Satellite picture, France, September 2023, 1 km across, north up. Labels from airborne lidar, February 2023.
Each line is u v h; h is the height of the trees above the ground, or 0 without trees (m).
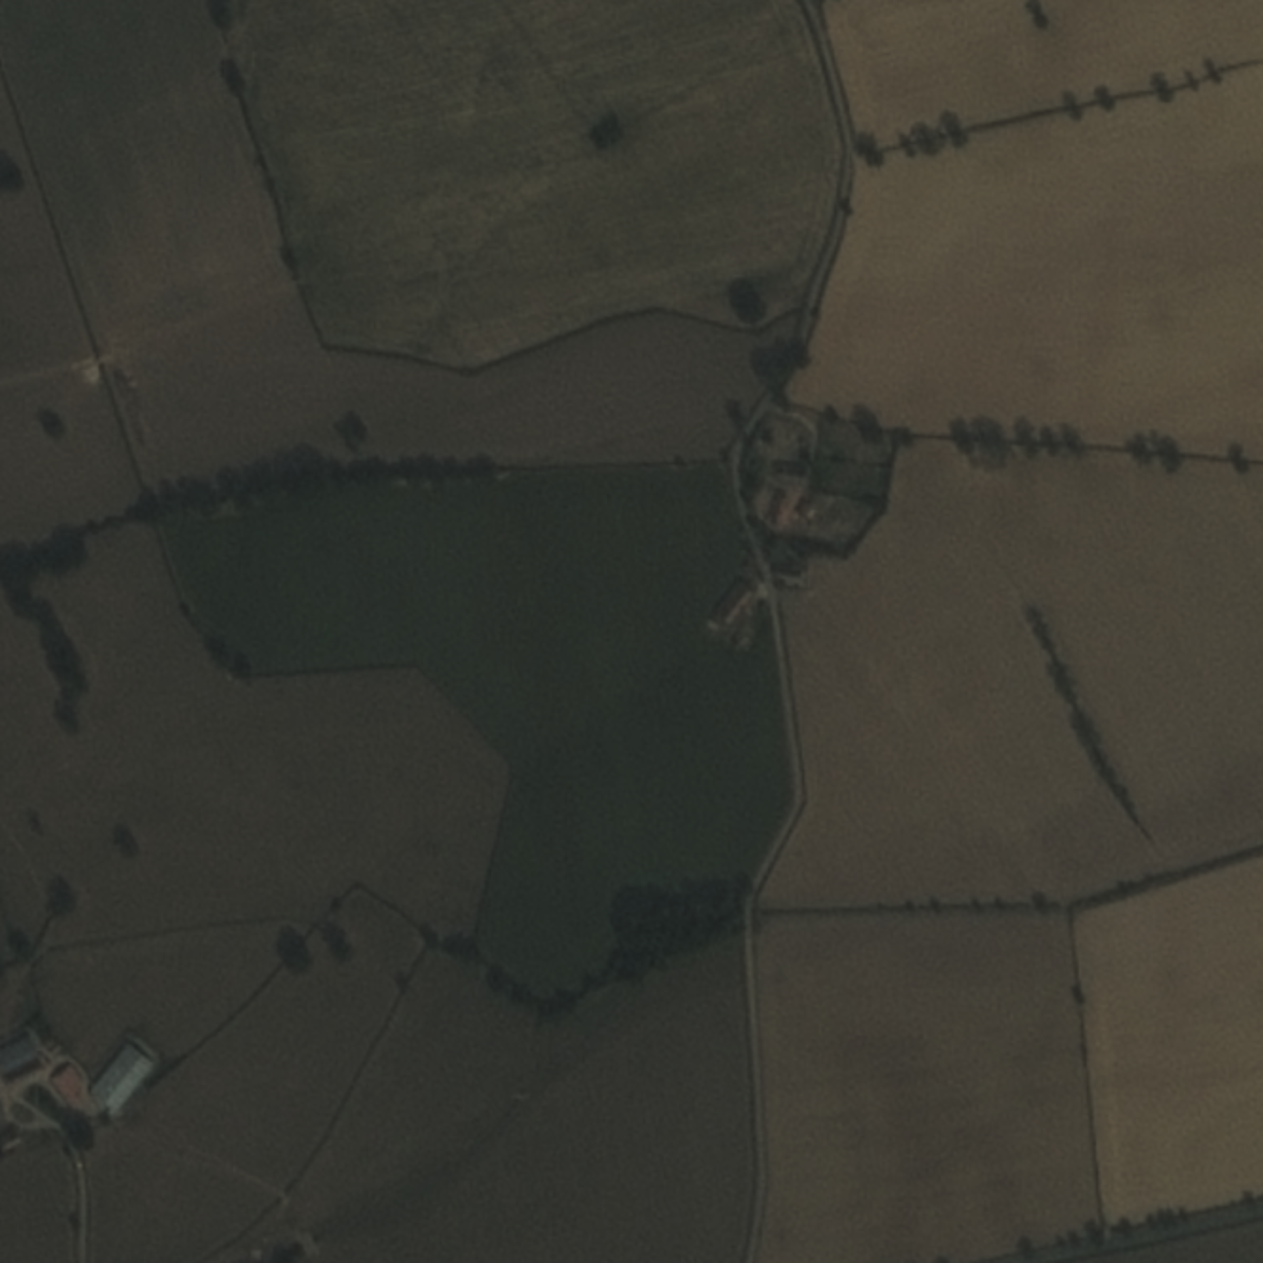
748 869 0
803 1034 0
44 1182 0
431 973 0
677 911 14
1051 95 0
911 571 0
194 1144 0
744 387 0
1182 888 0
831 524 0
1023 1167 0
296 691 0
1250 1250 0
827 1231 0
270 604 0
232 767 0
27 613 15
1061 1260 0
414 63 0
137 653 0
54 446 0
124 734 0
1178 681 0
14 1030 0
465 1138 0
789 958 0
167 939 0
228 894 0
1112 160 0
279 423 0
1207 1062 0
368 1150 0
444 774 0
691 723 0
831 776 0
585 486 0
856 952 0
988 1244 0
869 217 0
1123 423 0
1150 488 0
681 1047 0
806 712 0
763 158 0
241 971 0
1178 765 0
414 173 0
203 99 0
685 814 0
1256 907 0
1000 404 0
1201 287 0
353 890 0
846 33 0
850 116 0
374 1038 0
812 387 0
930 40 0
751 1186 0
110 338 0
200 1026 0
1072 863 0
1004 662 0
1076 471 0
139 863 0
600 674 0
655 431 0
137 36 0
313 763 0
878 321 0
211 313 0
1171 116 0
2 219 0
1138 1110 0
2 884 0
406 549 0
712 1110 0
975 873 0
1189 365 0
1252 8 0
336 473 13
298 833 0
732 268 0
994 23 0
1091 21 0
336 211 0
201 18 0
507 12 0
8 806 0
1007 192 0
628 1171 0
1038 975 0
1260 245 0
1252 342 0
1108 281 0
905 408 0
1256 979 0
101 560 0
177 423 0
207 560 0
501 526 0
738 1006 0
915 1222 0
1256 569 0
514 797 0
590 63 0
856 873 0
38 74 0
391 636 0
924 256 0
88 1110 0
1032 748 0
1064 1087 0
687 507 0
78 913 0
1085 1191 0
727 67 0
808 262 0
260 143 0
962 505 0
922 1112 0
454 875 0
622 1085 0
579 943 0
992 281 0
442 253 0
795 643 0
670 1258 0
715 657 0
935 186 0
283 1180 0
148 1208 0
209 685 0
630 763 0
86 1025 0
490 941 0
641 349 0
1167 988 0
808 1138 0
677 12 0
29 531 0
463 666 0
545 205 0
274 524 0
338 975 0
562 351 0
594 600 0
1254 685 0
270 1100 0
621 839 0
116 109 0
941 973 0
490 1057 0
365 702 0
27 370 0
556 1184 0
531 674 0
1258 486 0
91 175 0
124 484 0
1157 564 0
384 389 0
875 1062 0
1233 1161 0
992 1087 0
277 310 0
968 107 0
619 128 10
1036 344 0
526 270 0
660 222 0
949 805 0
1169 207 0
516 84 0
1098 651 0
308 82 0
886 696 0
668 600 0
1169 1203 0
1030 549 0
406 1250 0
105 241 0
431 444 0
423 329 0
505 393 0
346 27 0
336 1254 0
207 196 0
